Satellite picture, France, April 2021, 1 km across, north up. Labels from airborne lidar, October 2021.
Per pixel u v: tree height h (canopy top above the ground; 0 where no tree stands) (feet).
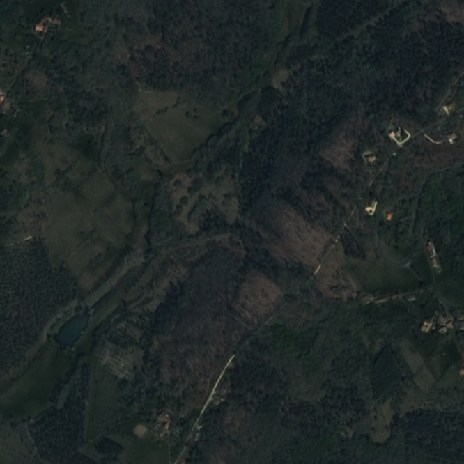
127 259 115
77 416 33
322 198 51
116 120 44
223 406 28
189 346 58
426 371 0
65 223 0
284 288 56
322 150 28
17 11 62
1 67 26
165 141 0
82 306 92
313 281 64
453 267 43
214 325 59
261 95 57
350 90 42
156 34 82
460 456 48
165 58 85
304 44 33
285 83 20
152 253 52
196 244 34
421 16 43
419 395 0
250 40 78
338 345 55
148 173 0
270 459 52
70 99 77
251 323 50
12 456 41
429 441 74
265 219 49
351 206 39
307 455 81
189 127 0
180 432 20
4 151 0
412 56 61
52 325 98
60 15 29
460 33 28
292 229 0
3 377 38
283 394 38
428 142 39
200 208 30
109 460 42
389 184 64
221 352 46
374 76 63
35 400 0
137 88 67
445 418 38
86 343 0
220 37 50
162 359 61
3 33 38
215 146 56
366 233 52
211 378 24
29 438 50
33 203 32
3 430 47
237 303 58
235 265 53
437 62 57
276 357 60
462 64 75
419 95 43
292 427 55
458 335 58
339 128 48
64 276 52
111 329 34
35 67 28
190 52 35
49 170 0
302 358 62
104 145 61
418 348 0
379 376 51
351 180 49
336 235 51
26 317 57
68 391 60
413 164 51
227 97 79
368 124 43
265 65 52
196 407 31
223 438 30
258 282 0
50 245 0
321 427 30
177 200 0
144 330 36
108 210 0
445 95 25
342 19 53
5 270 41
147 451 0
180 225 35
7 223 38
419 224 65
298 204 77
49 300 47
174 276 0
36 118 0
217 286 46
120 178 28
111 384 26
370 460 50
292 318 67
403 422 67
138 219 40
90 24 57
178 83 49
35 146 0
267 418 31
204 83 84
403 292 21
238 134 64
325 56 41
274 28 76
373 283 0
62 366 0
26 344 48
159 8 68
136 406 69
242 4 72
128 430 0
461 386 0
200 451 59
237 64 20
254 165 52
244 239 36
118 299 53
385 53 41
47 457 32
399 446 70
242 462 50
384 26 47
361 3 38
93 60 65
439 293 0
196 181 19
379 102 31
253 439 51
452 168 62
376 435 0
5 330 39
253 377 77
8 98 24
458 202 85
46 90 39
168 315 75
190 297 34
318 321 57
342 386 54
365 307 27
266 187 73
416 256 28
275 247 0
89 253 0
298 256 0
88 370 42
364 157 19
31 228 31
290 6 0
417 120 80
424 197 78
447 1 63
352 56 53
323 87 42
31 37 20
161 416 0
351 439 44
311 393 48
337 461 51
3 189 39
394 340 51
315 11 66
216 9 53
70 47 31
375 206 0
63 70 65
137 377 32
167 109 42
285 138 71
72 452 33
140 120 58
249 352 54
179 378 51
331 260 0
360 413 61
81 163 0
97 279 0
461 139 30
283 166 51
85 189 0
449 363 31
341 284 34
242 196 44
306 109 50
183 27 45
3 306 48
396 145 52
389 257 0
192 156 34
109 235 0
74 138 40
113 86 65
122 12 66
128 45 70
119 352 36
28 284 53
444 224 61
